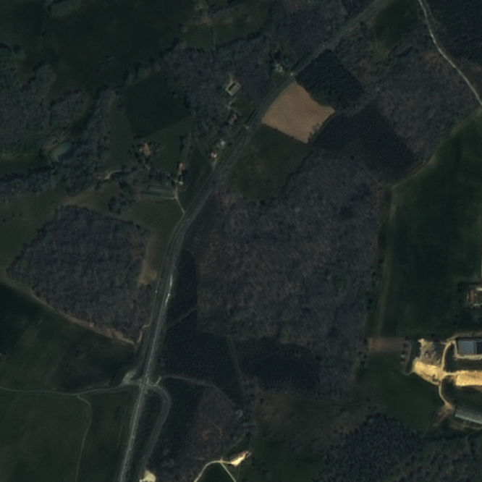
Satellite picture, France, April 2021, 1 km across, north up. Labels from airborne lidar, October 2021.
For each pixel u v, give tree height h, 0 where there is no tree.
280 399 0
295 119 0
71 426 0
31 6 0
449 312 0
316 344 19
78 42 0
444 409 0
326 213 20
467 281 0
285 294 21
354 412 0
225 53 20
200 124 8
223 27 0
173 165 0
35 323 0
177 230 0
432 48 13
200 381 17
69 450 0
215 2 0
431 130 15
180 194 0
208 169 0
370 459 18
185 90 15
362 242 19
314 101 13
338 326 18
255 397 14
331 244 21
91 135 18
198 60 15
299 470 0
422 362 0
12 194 14
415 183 0
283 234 19
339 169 17
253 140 0
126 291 15
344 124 7
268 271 14
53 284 13
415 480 18
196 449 11
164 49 0
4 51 19
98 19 0
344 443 18
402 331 0
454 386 0
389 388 0
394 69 7
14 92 23
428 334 0
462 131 0
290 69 7
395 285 0
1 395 0
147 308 13
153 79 0
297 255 21
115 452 0
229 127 18
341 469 16
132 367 0
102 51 0
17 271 18
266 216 17
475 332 0
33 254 16
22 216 9
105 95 23
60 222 8
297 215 22
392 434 19
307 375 6
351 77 18
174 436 6
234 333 8
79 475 0
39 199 0
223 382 6
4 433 0
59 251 13
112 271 17
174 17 0
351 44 6
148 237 13
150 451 0
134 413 0
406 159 7
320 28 18
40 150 21
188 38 0
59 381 0
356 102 18
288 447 11
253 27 0
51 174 20
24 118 26
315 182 18
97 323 16
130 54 0
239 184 0
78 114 18
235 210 13
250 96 12
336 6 15
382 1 0
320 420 8
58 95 0
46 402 0
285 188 7
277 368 7
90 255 17
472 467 21
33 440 0
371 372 0
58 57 0
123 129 0
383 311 0
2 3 0
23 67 0
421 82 15
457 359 0
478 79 0
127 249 17
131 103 0
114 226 12
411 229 0
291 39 21
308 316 25
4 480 0
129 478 6
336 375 26
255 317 19
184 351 6
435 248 0
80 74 0
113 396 0
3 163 0
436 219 0
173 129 0
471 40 8
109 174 0
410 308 0
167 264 0
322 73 19
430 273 0
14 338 0
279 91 0
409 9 0
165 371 8
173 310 6
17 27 0
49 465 0
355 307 16
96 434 0
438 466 17
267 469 0
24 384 0
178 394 6
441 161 0
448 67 11
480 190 0
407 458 16
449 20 11
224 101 18
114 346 0
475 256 0
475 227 0
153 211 0
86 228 16
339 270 20
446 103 16
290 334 24
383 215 0
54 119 20
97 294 12
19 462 0
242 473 0
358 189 18
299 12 18
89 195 0
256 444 0
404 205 0
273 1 0
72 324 0
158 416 12
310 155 9
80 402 0
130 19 0
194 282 7
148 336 0
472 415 0
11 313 0
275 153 0
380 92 10
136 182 12
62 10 18
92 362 0
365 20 0
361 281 17
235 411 9
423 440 17
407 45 13
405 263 0
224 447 13
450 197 0
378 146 7
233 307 6
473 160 0
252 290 21
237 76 14
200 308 0
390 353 0
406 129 9
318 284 18
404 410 0
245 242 10
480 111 0
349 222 20
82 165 11
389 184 13
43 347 0
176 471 8
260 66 14
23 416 0
